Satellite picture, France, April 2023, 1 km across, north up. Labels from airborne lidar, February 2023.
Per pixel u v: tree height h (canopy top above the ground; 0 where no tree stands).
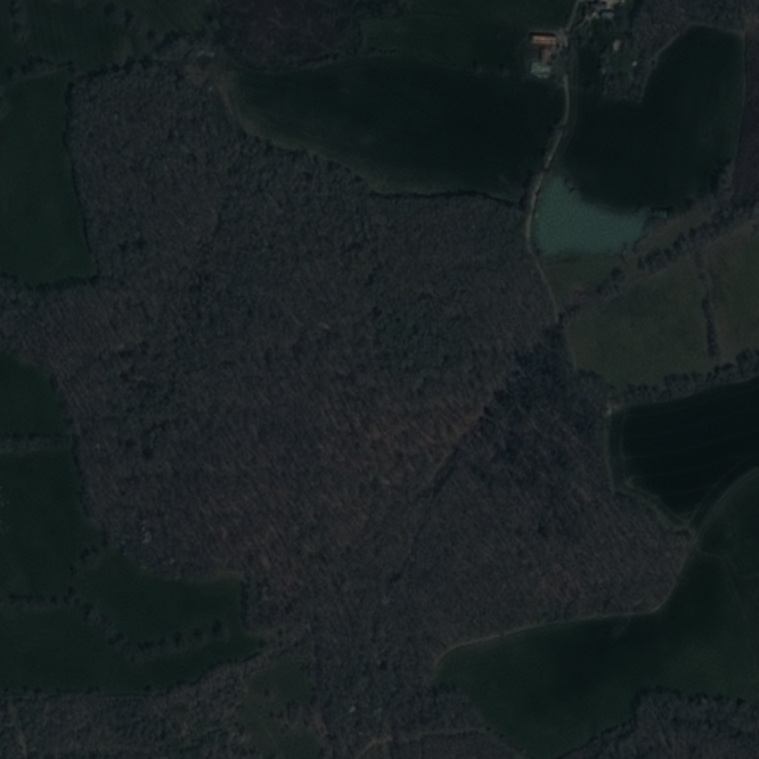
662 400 12
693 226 0
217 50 21
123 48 0
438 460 17
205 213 27
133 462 22
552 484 22
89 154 23
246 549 25
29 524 0
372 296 19
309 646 11
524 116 0
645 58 17
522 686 0
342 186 19
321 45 0
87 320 26
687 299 0
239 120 0
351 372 26
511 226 21
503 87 0
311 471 26
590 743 7
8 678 0
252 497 25
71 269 0
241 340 24
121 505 22
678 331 0
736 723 22
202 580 16
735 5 30
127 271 17
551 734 0
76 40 0
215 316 23
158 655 14
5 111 18
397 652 22
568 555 24
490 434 21
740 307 0
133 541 20
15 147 0
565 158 0
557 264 0
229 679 7
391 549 21
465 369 27
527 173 0
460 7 0
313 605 21
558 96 0
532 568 26
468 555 23
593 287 0
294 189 25
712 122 0
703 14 27
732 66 0
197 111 24
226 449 26
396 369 18
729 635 0
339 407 26
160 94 23
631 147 0
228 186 23
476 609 21
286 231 22
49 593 0
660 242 0
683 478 0
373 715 19
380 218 16
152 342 24
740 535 0
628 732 8
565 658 0
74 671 0
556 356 23
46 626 0
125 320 28
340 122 0
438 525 23
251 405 28
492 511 16
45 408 0
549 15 0
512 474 22
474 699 0
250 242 22
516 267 25
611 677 0
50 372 24
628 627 0
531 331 26
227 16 0
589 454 23
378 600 25
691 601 0
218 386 28
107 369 26
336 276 22
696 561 0
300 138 0
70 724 8
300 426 25
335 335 25
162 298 21
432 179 0
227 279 26
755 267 0
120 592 0
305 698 0
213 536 21
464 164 0
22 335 24
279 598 20
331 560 22
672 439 0
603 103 0
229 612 0
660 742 26
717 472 0
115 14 17
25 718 6
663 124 0
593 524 24
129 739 8
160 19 0
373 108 0
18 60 0
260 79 0
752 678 0
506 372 24
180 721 11
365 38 8
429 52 0
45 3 0
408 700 24
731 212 24
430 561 18
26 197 0
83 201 18
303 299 18
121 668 0
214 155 25
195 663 0
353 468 21
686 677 0
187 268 17
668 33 24
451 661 0
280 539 22
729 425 0
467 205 18
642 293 0
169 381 21
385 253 23
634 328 0
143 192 17
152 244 19
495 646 0
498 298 26
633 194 0
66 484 0
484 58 0
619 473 0
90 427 26
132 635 0
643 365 0
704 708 17
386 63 0
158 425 15
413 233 19
